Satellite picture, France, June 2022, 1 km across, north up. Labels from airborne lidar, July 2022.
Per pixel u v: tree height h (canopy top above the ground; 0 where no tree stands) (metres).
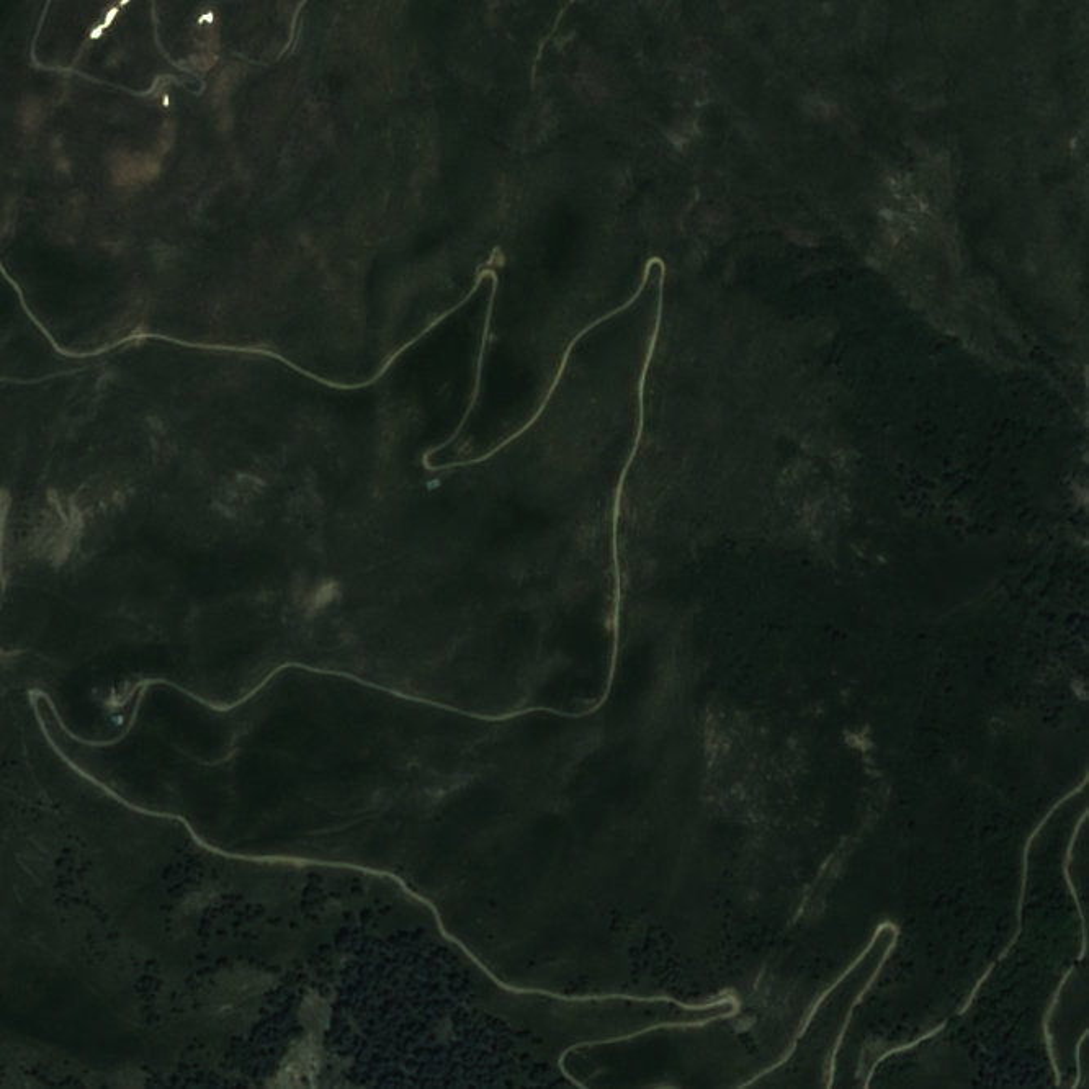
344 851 0
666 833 0
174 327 0
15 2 0
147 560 0
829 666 0
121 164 0
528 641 0
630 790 0
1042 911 12
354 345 0
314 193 0
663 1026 0
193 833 0
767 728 0
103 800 0
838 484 0
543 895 0
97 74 0
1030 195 0
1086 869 0
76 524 0
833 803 0
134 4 0
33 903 0
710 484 0
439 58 0
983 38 0
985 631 0
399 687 0
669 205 0
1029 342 10
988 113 0
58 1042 0
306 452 0
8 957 0
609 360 0
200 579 0
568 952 0
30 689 0
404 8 0
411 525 0
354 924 16
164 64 0
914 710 0
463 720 0
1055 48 0
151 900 0
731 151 0
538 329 0
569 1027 0
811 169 0
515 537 0
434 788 0
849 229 0
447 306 0
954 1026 11
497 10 0
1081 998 0
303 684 0
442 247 0
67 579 0
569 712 0
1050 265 0
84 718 0
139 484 0
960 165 0
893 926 0
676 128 0
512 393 0
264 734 0
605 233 0
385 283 0
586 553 0
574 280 0
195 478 0
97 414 0
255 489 0
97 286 0
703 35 0
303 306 0
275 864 0
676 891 0
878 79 0
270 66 0
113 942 6
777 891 0
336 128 0
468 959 0
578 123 0
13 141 0
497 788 0
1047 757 0
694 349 0
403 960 13
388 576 0
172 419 0
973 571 0
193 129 0
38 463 0
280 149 0
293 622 0
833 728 0
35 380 0
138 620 0
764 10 0
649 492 0
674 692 0
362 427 0
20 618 0
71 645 0
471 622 0
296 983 10
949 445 6
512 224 0
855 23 0
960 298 0
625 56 0
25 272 0
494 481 0
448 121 0
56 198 0
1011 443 12
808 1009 0
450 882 0
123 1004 0
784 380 0
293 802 0
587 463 0
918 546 0
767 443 0
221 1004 0
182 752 0
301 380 0
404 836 0
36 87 0
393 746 0
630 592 0
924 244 0
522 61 0
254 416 0
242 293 0
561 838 0
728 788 0
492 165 0
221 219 0
